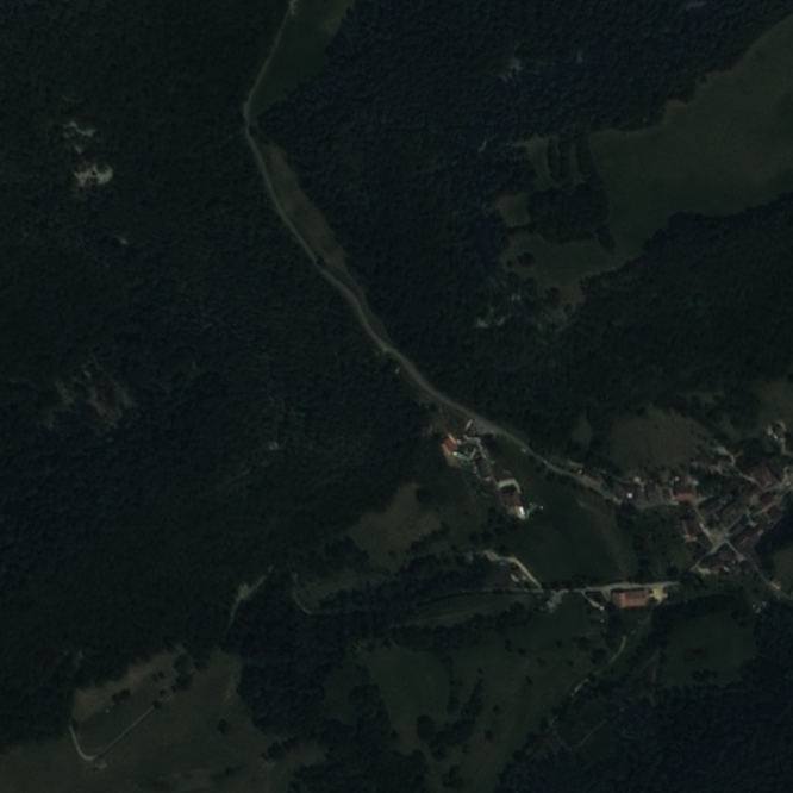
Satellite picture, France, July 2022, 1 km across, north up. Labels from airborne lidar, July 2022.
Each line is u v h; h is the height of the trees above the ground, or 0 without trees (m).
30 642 17
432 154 13
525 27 21
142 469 22
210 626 22
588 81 22
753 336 23
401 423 22
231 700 0
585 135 10
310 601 0
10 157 15
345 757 23
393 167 16
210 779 0
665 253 17
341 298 16
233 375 18
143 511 11
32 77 18
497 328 7
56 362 26
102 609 15
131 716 0
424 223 20
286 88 0
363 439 16
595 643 0
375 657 0
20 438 25
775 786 19
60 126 16
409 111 17
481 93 18
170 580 15
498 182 16
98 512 18
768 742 22
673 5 19
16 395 24
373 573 25
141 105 18
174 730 0
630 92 19
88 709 0
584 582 10
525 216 0
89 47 9
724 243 11
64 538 21
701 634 0
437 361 14
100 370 25
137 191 22
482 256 13
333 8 0
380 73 19
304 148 16
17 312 21
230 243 15
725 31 14
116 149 14
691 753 13
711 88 0
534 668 0
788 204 21
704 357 18
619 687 11
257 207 6
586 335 11
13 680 22
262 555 18
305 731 21
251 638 22
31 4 12
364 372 8
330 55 15
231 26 19
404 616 16
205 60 19
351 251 20
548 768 23
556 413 12
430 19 22
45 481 14
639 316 11
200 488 9
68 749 0
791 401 0
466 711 12
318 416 24
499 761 0
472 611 0
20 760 0
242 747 0
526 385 12
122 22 16
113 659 19
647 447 0
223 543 12
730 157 0
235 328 28
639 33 18
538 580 0
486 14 18
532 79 18
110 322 20
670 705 7
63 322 23
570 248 0
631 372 17
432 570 17
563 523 0
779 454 8
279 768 0
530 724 0
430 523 0
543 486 0
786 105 0
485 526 6
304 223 0
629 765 16
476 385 10
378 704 15
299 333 16
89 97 18
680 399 6
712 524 7
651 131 0
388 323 20
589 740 0
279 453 13
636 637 0
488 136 14
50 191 16
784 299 19
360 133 14
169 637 25
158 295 18
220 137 18
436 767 0
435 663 0
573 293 0
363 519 0
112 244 24
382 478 16
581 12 22
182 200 19
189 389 26
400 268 21
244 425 17
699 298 13
